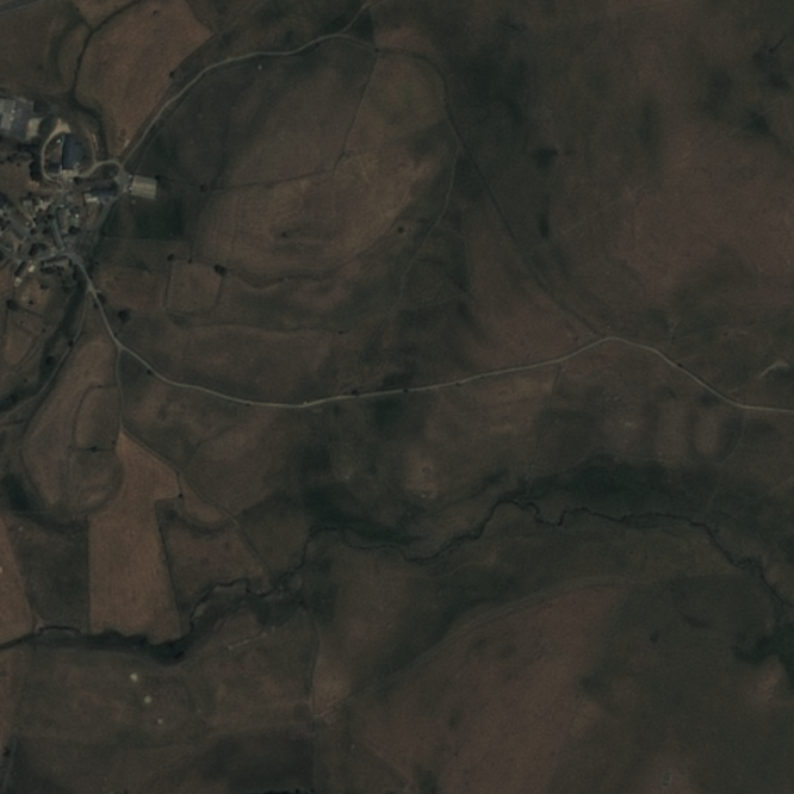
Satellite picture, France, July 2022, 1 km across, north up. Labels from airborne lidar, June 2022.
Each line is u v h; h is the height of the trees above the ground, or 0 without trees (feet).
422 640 0
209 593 0
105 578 0
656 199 0
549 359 0
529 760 0
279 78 0
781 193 0
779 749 0
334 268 0
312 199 0
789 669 0
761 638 0
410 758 0
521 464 0
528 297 0
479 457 0
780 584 0
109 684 0
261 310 0
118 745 0
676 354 0
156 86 0
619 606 0
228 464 0
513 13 0
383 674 0
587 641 0
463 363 0
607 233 0
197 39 0
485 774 0
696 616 0
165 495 0
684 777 0
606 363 0
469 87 0
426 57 0
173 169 0
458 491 0
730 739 0
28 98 0
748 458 0
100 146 0
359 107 0
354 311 0
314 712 0
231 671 0
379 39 0
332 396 0
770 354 0
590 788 0
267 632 0
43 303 0
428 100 0
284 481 0
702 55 0
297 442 0
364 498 0
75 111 0
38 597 0
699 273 0
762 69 0
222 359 0
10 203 18
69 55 0
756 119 0
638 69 0
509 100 0
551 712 0
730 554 0
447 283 0
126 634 0
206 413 0
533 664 0
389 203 0
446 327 0
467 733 0
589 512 0
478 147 0
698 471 0
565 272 0
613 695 0
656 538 0
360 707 0
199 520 0
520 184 0
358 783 0
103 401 0
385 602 0
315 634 0
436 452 0
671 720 0
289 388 0
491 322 0
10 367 0
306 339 0
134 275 0
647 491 0
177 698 0
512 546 0
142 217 0
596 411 0
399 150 0
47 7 0
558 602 0
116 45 0
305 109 0
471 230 0
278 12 0
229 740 0
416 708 0
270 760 0
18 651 0
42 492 0
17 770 0
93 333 0
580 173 0
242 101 0
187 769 0
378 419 0
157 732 0
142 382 0
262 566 0
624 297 0
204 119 0
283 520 0
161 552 0
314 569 0
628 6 0
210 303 0
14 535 0
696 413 0
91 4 0
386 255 0
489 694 0
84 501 0
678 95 0
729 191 0
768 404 0
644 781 0
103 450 0
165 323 0
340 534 0
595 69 0
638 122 0
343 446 0
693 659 0
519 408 0
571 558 0
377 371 0
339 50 0
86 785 0
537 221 0
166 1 0
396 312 0
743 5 0
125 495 0
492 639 0
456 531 0
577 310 0
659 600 0
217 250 0
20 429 0
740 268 0
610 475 0
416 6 0
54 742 0
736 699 0
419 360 0
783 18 0
